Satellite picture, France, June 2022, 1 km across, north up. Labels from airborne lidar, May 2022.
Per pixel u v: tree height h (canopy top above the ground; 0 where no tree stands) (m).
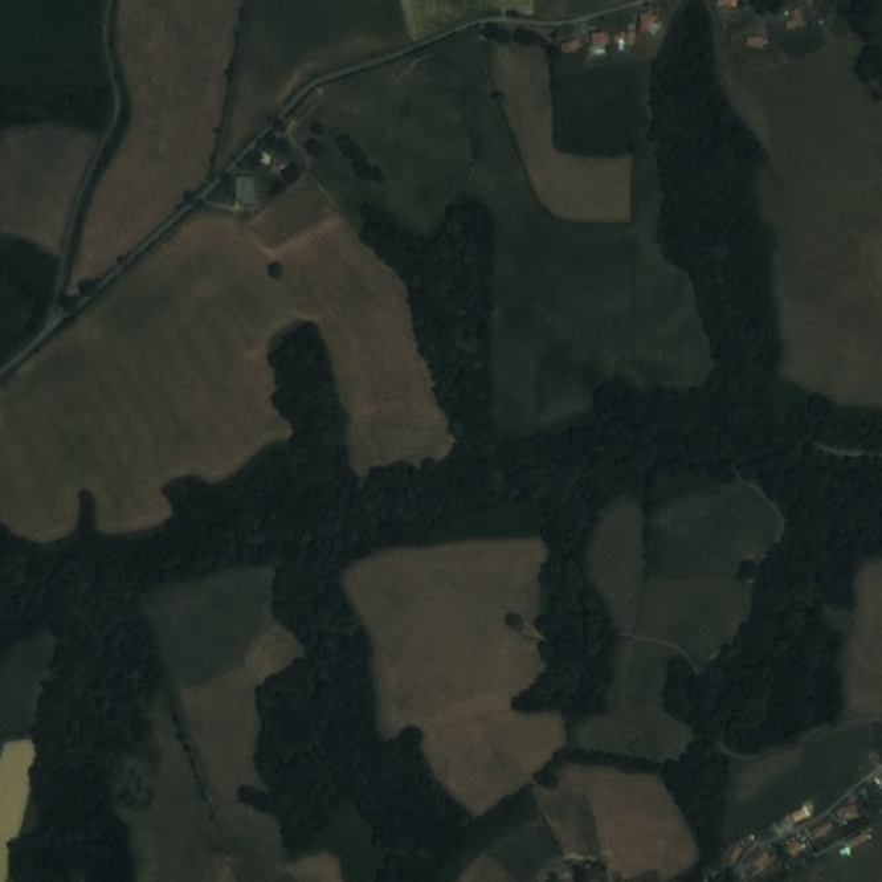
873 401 0
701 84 19
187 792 0
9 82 0
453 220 20
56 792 23
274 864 0
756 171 0
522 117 0
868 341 0
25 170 0
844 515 20
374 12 0
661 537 0
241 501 13
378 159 0
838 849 0
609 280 0
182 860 0
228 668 0
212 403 0
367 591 0
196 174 0
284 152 13
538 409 0
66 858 19
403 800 24
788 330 0
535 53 0
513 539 0
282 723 22
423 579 0
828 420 14
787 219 0
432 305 18
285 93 0
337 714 27
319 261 0
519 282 0
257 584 0
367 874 0
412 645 0
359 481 15
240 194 0
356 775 18
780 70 0
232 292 0
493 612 0
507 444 9
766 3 20
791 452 25
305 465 13
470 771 0
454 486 10
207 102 0
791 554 16
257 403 0
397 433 0
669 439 21
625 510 0
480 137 0
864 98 0
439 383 11
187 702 0
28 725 0
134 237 0
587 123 0
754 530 0
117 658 13
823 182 0
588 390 0
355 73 5
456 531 0
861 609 0
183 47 0
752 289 11
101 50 0
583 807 0
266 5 0
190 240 0
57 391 0
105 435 0
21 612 10
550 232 0
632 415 20
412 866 20
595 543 0
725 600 0
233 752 0
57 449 0
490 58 0
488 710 0
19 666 0
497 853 0
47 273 0
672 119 7
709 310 10
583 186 0
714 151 23
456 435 15
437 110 0
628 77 0
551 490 13
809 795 0
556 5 0
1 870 0
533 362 0
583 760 8
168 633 0
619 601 0
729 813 14
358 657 16
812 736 0
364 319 0
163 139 0
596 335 0
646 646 0
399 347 0
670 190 10
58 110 8
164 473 0
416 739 16
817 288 0
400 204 0
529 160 0
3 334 0
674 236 20
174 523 9
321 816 22
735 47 0
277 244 0
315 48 0
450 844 13
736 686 12
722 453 11
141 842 0
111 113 0
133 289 0
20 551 11
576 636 17
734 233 20
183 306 0
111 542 8
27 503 0
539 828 0
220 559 15
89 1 0
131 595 14
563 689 23
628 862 0
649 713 0
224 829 0
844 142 0
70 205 0
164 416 0
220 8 0
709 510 0
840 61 0
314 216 0
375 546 6
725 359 21
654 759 0
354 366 0
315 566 21
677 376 0
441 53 0
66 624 17
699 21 11
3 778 0
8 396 0
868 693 0
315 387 23
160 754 0
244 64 0
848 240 0
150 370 0
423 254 19
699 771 21
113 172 0
